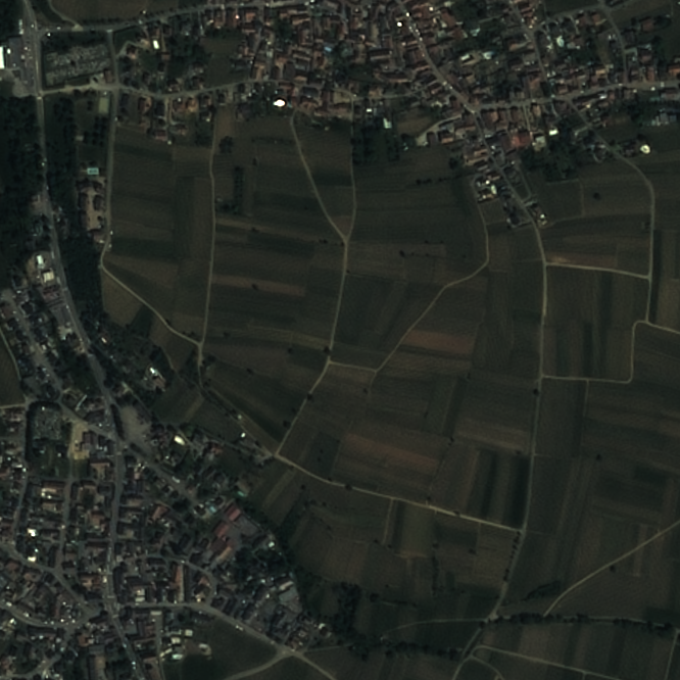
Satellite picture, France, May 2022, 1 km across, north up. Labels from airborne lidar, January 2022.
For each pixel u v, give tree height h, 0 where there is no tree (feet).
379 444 0
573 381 0
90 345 0
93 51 0
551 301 0
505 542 0
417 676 0
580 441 0
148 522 0
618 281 0
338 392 0
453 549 0
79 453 0
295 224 0
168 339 0
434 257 0
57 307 0
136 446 21
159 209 0
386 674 0
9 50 0
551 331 0
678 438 0
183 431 45
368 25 0
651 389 0
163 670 0
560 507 0
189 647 0
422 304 0
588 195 0
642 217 0
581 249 0
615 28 0
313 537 0
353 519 0
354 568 0
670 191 0
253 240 0
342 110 0
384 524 0
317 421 0
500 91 29
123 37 0
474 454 0
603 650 0
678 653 0
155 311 0
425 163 0
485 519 0
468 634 0
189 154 0
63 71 0
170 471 0
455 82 0
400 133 0
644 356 0
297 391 0
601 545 0
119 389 0
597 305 0
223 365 0
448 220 0
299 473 0
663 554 0
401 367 0
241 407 0
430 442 0
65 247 19
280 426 0
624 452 0
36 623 0
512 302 0
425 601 0
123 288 0
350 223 0
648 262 0
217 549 0
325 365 0
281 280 0
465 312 0
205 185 0
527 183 0
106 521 0
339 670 0
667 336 0
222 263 0
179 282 0
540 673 0
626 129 0
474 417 0
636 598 0
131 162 0
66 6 0
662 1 0
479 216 0
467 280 0
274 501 0
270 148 0
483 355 0
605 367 0
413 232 0
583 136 0
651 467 0
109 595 0
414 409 0
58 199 27
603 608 0
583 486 0
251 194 0
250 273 0
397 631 0
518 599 0
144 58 0
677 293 0
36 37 0
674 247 0
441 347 0
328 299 0
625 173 0
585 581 0
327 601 0
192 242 0
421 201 0
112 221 0
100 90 0
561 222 0
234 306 0
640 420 0
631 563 0
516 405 0
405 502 0
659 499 0
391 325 0
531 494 0
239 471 0
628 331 0
